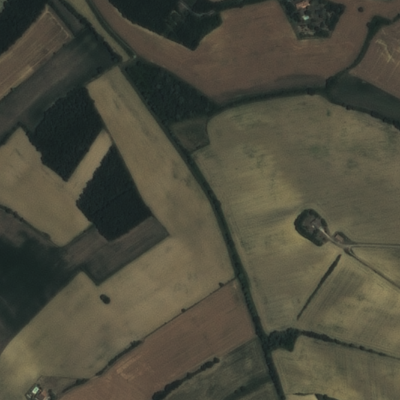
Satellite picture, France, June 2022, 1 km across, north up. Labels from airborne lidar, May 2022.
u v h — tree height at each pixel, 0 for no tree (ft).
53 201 0
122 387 0
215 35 0
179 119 38
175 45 0
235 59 0
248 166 0
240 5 52
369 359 0
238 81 0
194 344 0
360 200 0
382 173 0
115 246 0
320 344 0
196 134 0
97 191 62
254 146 0
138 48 0
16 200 0
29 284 0
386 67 0
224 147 0
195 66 0
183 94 29
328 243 0
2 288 0
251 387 0
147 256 0
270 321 0
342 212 0
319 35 26
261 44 0
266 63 0
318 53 0
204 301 0
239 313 0
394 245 0
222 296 0
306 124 0
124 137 0
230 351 0
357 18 0
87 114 34
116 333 0
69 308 0
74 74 0
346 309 0
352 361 0
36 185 0
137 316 0
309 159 0
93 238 0
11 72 0
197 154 0
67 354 0
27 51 0
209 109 40
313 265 0
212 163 0
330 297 0
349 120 0
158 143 0
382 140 0
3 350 0
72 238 0
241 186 0
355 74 0
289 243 0
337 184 0
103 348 0
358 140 0
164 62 0
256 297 0
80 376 0
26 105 0
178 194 0
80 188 0
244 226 0
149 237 0
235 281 0
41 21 0
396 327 0
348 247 0
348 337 0
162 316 0
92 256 0
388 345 0
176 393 0
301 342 0
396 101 0
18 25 46
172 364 0
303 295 0
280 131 0
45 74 0
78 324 0
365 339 0
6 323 0
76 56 0
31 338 0
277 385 73
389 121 37
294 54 0
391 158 0
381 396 0
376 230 0
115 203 67
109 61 0
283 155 0
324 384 0
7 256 0
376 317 0
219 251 0
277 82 0
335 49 0
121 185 64
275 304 0
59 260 0
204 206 0
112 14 0
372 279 0
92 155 0
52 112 63
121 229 68
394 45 0
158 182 0
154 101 33
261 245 0
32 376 0
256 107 0
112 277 0
